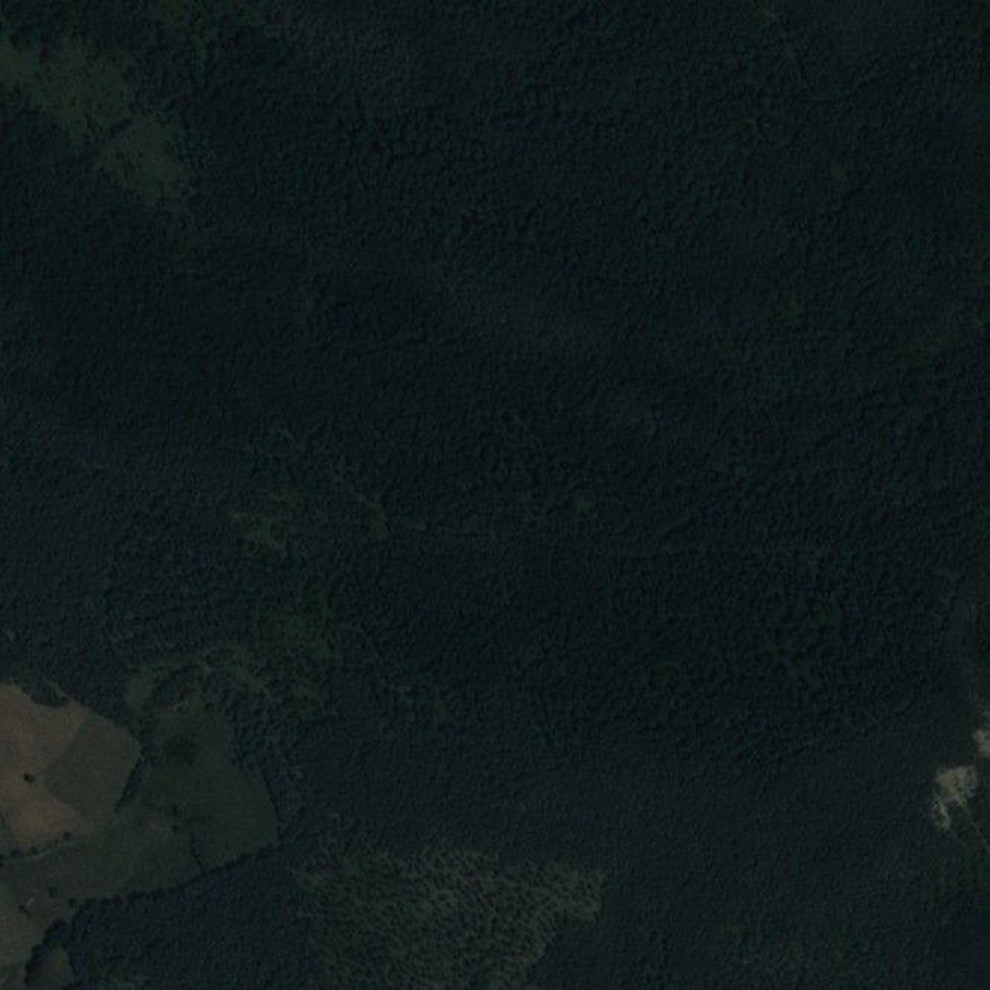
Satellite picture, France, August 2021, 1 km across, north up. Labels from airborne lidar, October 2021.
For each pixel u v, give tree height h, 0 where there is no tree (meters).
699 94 15
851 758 13
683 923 14
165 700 8
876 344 13
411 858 11
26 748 0
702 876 15
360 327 21
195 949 16
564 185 18
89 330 19
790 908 14
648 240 24
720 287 21
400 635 16
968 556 17
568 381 20
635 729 11
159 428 17
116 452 17
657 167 19
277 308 23
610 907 13
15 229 23
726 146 26
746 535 21
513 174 22
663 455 21
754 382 16
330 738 20
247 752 10
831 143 14
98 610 13
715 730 19
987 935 19
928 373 22
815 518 20
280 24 15
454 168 33
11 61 0
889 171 18
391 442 26
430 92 26
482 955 10
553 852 13
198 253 18
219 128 19
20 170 19
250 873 16
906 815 11
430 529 8
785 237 19
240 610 15
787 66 21
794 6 16
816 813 14
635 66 21
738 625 24
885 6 14
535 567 19
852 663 23
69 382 11
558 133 14
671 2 24
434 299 17
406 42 15
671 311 22
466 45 16
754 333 15
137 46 20
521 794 12
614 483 16
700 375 13
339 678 16
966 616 12
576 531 16
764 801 16
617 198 18
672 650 20
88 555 15
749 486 14
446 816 12
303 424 19
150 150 0
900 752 14
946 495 18
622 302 18
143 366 19
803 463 18
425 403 25
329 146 25
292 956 13
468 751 19
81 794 0
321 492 17
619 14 29
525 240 22
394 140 23
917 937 13
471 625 20
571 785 14
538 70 30
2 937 0
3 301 19
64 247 21
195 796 0
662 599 20
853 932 13
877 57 9
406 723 15
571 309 12
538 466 25
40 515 18
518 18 24
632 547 18
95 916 14
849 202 17
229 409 18
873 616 23
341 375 26
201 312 18
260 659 7
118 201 17
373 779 18
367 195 24
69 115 0
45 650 14
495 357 19
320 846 11
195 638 10
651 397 22
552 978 13
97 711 7
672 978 14
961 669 11
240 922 16
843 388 20
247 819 0
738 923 9
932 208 23
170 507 15
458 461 24
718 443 14
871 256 11
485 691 16
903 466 19
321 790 12
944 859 10
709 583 15
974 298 18
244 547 18
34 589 13
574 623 23
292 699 11
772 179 13
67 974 0
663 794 14
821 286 11
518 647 19
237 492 13
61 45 10
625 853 13
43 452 12
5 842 0
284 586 16
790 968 8
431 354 20
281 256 23
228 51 18
